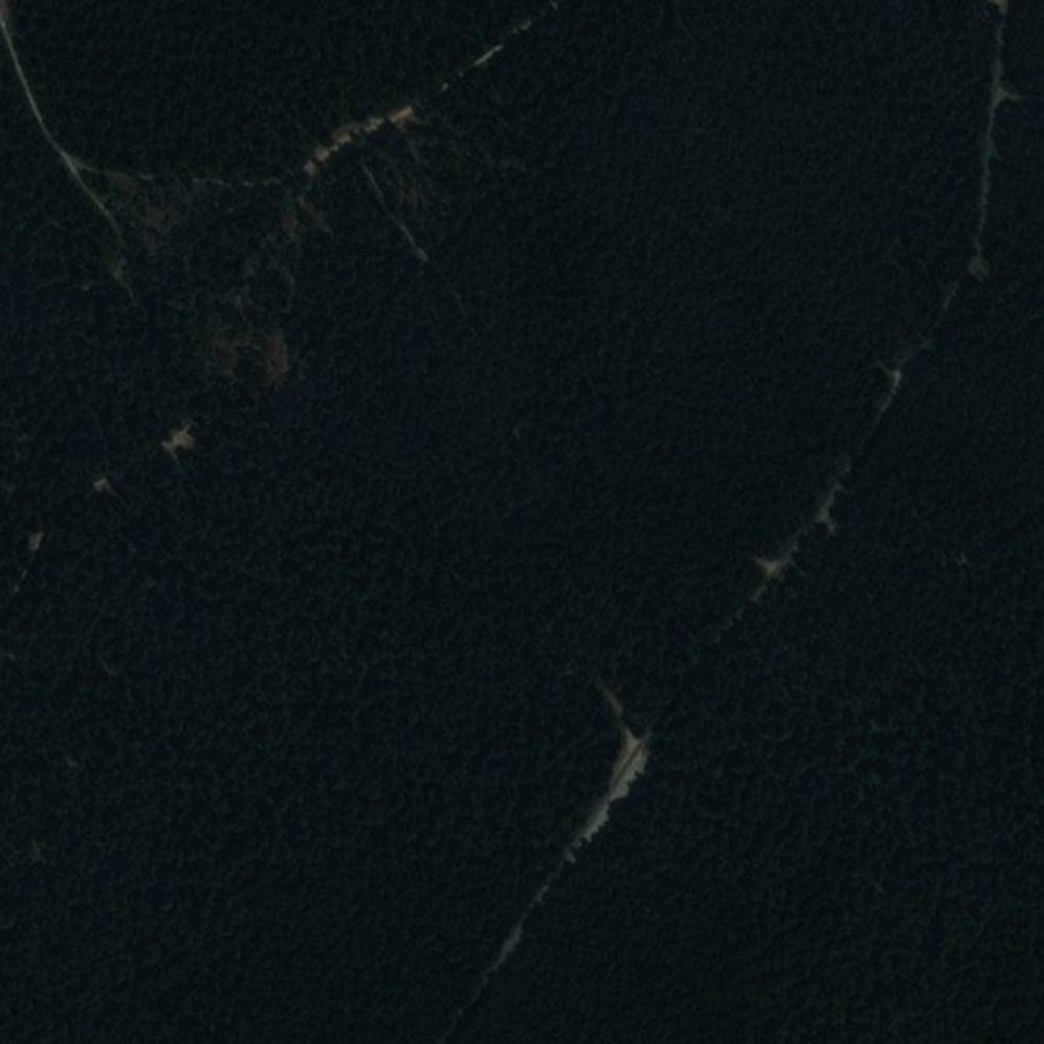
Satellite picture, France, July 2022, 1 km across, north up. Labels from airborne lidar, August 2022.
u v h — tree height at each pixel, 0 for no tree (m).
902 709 19
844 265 36
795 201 30
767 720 15
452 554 21
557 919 18
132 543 6
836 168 26
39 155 15
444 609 26
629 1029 14
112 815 29
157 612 27
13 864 28
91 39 18
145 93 15
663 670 8
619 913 20
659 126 32
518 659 32
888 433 16
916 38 34
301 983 17
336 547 20
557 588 16
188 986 21
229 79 14
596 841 12
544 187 20
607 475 18
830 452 27
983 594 31
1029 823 18
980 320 24
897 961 33
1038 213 24
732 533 21
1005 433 21
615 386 28
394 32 21
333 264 20
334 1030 17
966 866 34
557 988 16
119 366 37
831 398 26
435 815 33
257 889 25
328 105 21
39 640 33
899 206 31
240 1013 19
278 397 11
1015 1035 22
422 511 31
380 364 24
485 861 23
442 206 20
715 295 26
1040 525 29
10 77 17
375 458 31
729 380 18
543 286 21
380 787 25
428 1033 15
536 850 28
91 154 14
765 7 30
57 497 22
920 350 0
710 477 24
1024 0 17
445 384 26
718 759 26
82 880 32
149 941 32
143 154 19
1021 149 28
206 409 36
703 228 9
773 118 32
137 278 8
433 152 20
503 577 26
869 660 6
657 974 21
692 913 24
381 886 20
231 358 17
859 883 34
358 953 21
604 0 13
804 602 13
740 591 19
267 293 20
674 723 8
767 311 16
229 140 21
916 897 30
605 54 19
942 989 24
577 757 34
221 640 34
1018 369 24
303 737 31
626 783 0
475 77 18
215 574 11
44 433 25
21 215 20
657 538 19
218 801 30
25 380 22
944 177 16
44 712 32
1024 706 24
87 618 36
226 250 12
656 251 36
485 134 24
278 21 6
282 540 12
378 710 29
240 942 13
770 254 29
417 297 39
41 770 27
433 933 17
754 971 31
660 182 27
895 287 27
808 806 36
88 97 17
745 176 32
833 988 34
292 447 18
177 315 28
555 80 15
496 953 16
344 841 27
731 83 32
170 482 37
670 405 25
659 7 21
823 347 28
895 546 24
